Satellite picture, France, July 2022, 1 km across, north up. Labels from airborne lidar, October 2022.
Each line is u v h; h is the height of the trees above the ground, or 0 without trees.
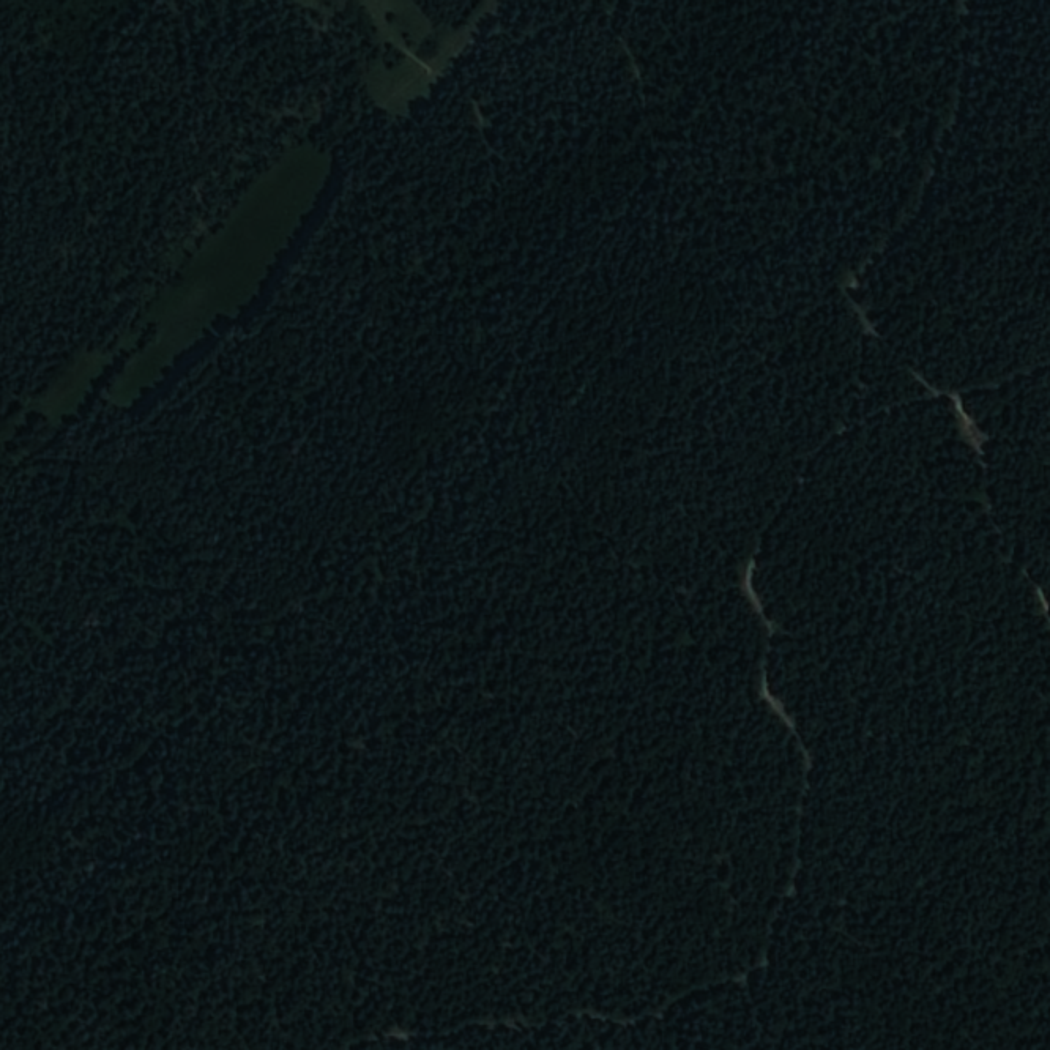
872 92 30
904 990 34
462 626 14
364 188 30
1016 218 18
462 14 10
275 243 0
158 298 8
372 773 18
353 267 34
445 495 33
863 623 19
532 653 21
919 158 16
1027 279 17
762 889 18
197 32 24
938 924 22
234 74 26
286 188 0
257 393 10
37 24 23
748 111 9
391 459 31
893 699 11
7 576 23
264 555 28
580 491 24
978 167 35
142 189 18
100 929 17
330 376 27
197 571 34
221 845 24
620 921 17
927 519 21
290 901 21
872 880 24
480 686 28
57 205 11
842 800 20
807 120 11
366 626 11
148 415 34
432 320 26
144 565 14
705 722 24
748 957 26
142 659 30
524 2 27
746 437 23
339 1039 21
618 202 25
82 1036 27
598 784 23
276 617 26
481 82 19
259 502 23
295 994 12
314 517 27
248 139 6
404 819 26
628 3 23
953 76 24
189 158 12
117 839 10
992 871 28
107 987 12
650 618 15
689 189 21
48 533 28
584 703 23
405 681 16
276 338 31
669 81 30
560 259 16
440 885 23
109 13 12
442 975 18
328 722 12
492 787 23
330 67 30
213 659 25
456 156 28
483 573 18
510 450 35
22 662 22
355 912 25
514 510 12
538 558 16
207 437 28
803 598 21
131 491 30
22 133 23
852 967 13
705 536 11
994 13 24
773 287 12
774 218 28
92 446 26
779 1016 23
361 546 27
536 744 12
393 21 15
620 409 20
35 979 20
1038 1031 24
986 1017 20
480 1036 12
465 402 29
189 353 0
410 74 0
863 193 20
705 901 20
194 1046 23
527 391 22
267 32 18
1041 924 25
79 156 24
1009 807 15
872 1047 20
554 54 30
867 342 31
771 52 12
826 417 16
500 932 21
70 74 23
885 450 14
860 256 20
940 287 16
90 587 26
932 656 9
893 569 22
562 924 20
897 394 22
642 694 24
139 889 10
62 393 0
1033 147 13
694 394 10
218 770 12
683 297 22
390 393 30
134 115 20
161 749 38
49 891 24
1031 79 21
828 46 25
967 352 18
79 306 15
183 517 35
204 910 15
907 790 11
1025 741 22
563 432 20
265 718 13
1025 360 21
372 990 31
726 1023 7
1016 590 18
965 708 14
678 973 18
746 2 14
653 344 22
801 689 18
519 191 9
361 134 22
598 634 18
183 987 21
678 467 19
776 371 24
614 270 21
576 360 26
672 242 19
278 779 31
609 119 16
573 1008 23
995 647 21
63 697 29
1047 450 19
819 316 16
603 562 14
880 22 34
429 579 9
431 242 30
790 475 14
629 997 18
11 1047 23
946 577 20
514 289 9
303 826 16
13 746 33
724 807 6
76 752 13
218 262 0
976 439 0
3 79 30
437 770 28
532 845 21
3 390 18
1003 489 25
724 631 9
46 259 21
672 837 16
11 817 26
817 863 16
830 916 27
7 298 14
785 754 20
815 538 22
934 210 23
